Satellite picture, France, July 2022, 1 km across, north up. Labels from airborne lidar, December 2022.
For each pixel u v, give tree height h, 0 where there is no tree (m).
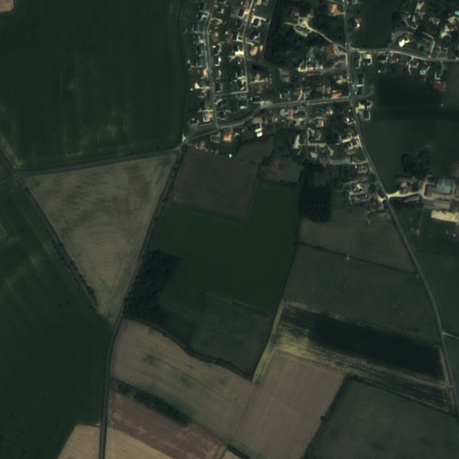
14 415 0
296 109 6
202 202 0
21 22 0
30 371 0
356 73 0
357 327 0
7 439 0
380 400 0
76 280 8
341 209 0
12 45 0
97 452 0
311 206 13
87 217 0
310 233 0
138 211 0
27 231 0
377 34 0
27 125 0
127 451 0
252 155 0
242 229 0
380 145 0
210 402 0
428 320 0
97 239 0
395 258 0
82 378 0
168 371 0
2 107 0
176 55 0
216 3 0
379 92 0
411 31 0
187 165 0
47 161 0
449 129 0
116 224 0
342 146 7
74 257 0
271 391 0
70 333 0
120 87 0
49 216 0
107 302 0
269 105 0
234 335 0
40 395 0
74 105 0
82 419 0
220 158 0
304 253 0
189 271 0
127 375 0
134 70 0
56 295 0
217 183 0
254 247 0
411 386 0
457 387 0
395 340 0
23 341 0
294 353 0
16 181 0
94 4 0
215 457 0
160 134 0
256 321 0
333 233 0
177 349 0
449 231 0
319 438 0
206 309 0
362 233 0
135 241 0
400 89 0
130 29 0
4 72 0
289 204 0
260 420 0
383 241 0
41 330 0
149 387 0
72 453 0
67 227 0
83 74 0
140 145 0
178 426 0
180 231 0
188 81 0
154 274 19
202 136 0
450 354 0
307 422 0
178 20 0
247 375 10
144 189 0
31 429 0
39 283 0
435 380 0
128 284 0
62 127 0
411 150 0
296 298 0
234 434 0
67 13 0
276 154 9
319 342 0
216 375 0
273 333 0
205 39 0
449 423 0
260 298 0
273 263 0
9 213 0
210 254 0
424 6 0
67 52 0
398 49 0
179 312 0
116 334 0
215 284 0
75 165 0
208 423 0
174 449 0
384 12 0
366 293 0
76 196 0
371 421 0
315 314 0
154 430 0
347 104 0
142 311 14
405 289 0
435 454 0
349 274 0
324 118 0
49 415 0
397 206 10
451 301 0
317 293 0
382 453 0
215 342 0
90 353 0
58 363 0
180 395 0
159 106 0
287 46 13
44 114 0
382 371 0
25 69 0
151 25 0
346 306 0
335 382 0
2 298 0
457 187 0
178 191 0
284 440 0
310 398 0
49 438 0
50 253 0
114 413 0
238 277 0
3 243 0
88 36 0
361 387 0
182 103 0
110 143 0
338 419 0
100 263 0
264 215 0
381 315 0
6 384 0
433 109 0
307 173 6
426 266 0
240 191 0
